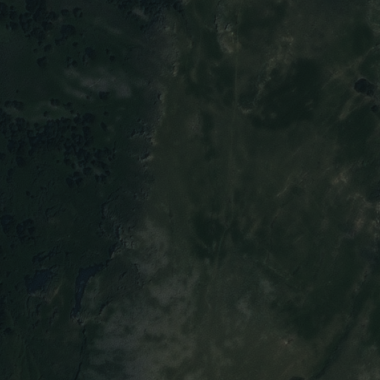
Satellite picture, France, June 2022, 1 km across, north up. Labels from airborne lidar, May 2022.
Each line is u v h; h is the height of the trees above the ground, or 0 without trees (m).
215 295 0
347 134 0
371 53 0
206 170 0
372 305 0
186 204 0
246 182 0
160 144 0
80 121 16
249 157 0
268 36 0
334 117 0
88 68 0
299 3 0
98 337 0
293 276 0
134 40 0
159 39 0
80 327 0
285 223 0
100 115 0
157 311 0
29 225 21
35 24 17
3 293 9
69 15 15
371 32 0
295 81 0
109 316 0
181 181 0
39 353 0
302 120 0
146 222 0
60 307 0
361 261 0
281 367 0
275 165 0
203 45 0
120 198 0
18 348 0
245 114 0
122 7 19
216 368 0
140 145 0
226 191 0
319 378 0
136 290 0
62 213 0
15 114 0
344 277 0
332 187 0
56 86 0
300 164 0
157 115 0
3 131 13
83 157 19
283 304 0
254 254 0
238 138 0
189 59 0
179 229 0
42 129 16
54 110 0
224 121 0
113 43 0
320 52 0
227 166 0
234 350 0
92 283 0
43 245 0
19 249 0
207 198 0
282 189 0
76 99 0
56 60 0
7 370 0
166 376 0
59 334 0
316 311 0
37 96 0
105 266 7
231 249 0
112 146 0
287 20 0
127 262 0
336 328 0
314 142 0
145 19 0
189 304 0
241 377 0
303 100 0
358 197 0
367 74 0
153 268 0
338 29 0
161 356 0
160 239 0
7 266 0
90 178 7
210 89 0
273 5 0
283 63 0
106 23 0
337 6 0
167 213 0
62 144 16
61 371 0
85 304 0
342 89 0
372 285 0
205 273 0
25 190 0
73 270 0
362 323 0
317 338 0
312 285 0
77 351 0
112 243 0
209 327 0
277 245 0
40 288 9
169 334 0
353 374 0
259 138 0
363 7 0
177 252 0
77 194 0
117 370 0
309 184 0
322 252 0
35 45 0
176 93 0
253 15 0
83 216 0
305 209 0
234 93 0
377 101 0
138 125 0
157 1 11
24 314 0
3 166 0
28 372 0
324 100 0
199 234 0
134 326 0
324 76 0
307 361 0
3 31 0
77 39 0
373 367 0
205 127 0
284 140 0
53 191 0
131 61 0
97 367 0
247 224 0
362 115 0
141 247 0
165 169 0
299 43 0
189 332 0
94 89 0
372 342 0
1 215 19
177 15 0
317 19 0
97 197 0
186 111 0
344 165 0
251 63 0
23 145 22
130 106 0
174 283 0
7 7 17
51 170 0
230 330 0
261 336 0
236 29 0
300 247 0
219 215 0
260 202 0
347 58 0
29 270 0
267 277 0
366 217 0
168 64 0
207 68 0
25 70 0
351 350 0
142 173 0
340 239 0
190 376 0
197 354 0
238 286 0
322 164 0
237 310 0
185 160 0
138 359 0
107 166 21
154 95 0
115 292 0
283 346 0
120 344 0
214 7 0
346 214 0
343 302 0
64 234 0
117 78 0
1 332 10
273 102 0
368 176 0
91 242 0
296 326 0
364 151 0
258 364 0
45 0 16
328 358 0
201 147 0
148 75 0
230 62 0
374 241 0
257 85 0
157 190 0
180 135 0
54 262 0
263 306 0
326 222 0
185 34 0
